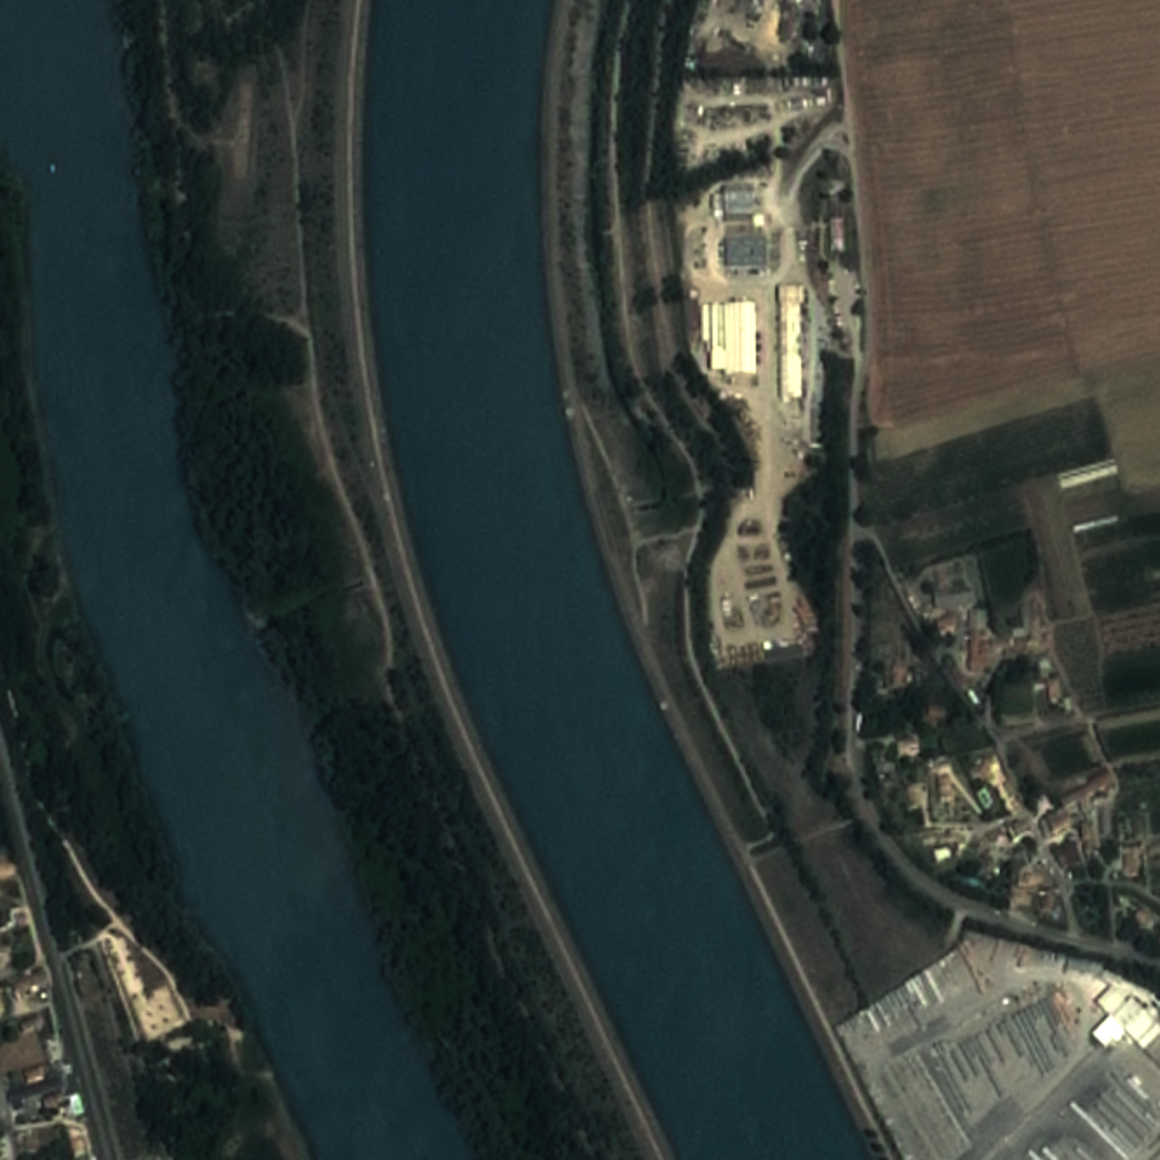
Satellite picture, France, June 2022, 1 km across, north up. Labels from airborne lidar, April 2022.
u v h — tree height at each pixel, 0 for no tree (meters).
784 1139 0
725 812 0
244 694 0
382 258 0
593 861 0
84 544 0
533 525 0
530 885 0
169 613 0
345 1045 0
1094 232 0
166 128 21
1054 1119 0
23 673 18
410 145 0
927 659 17
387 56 0
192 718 0
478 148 0
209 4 6
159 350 0
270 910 0
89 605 0
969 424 0
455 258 0
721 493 10
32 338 0
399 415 0
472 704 0
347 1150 0
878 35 0
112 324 0
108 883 21
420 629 0
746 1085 0
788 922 0
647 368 0
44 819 15
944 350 0
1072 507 0
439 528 0
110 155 0
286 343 18
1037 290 0
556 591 0
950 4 0
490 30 0
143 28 25
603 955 0
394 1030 0
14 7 0
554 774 0
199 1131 14
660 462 0
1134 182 0
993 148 0
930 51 0
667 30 9
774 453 0
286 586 30
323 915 0
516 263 0
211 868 0
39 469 12
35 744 16
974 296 0
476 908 22
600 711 0
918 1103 0
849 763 0
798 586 19
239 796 0
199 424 25
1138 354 0
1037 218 0
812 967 0
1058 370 0
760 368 0
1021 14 0
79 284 0
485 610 0
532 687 0
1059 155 0
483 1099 24
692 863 0
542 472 0
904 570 10
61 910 14
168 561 0
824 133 0
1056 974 0
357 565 0
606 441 0
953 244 0
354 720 29
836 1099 0
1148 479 0
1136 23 0
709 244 0
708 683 10
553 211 0
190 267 20
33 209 0
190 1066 24
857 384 0
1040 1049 0
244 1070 0
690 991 0
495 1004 21
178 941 14
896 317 0
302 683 26
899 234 0
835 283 0
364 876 6
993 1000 0
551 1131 26
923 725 9
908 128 0
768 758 0
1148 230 0
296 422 0
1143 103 0
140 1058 10
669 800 0
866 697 21
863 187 0
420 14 0
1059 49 0
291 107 0
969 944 0
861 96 0
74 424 0
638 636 0
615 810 0
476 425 0
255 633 0
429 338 0
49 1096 0
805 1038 0
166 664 0
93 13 0
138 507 0
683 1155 0
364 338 0
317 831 0
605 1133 7
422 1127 0
